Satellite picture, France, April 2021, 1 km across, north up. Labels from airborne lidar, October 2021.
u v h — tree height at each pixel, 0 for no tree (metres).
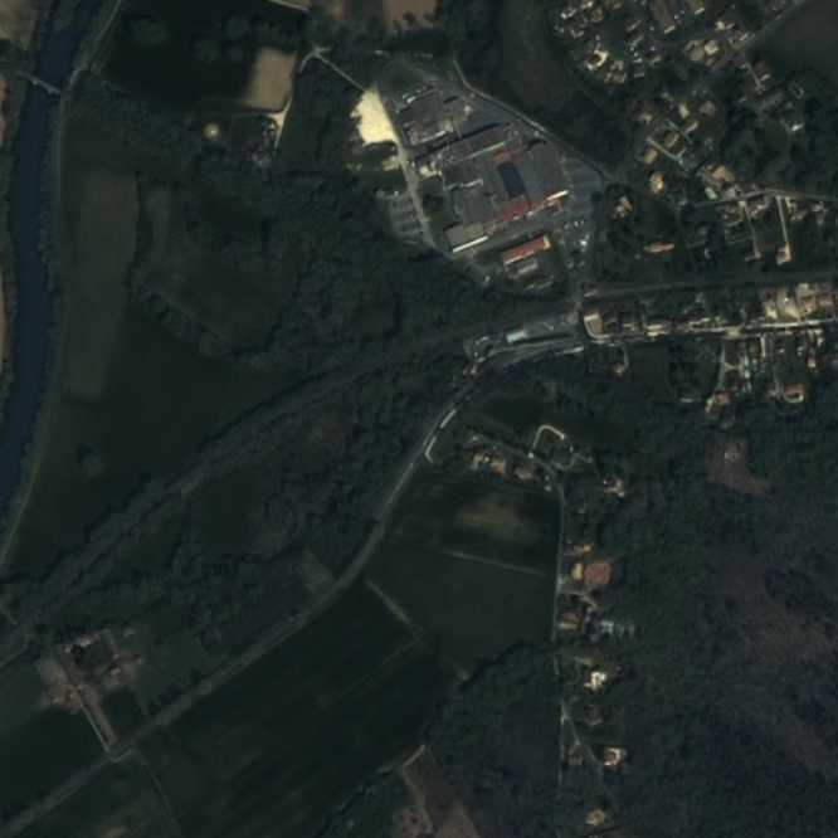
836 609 12
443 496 0
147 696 0
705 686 21
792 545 17
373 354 21
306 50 13
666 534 23
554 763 18
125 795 0
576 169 0
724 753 28
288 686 0
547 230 0
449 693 0
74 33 0
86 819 0
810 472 25
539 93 0
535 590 0
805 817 24
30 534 0
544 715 14
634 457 12
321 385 16
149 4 0
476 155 0
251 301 0
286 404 14
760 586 16
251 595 21
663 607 24
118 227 0
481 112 0
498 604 0
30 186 0
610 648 21
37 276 0
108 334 0
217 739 0
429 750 11
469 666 0
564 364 16
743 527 23
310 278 13
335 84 15
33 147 0
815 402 18
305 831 0
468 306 21
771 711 15
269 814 0
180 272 0
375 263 22
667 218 0
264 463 8
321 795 0
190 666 0
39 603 21
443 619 0
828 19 0
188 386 0
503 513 0
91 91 19
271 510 14
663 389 0
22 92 21
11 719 0
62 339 14
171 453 0
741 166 24
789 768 23
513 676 24
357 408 10
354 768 0
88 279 0
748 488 0
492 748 16
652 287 0
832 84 9
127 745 0
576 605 7
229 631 18
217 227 0
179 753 0
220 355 22
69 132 0
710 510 17
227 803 0
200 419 0
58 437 0
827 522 17
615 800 14
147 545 0
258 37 18
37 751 0
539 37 0
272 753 0
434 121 0
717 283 0
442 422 0
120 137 23
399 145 0
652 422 15
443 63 17
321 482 13
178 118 0
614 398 16
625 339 0
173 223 0
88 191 0
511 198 0
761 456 19
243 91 0
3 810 0
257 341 0
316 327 13
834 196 18
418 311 28
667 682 23
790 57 0
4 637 15
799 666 15
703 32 0
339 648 0
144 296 22
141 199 6
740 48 0
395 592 0
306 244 15
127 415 0
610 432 0
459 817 0
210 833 0
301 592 6
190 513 11
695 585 22
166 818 0
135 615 0
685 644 18
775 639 14
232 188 23
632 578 23
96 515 0
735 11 0
